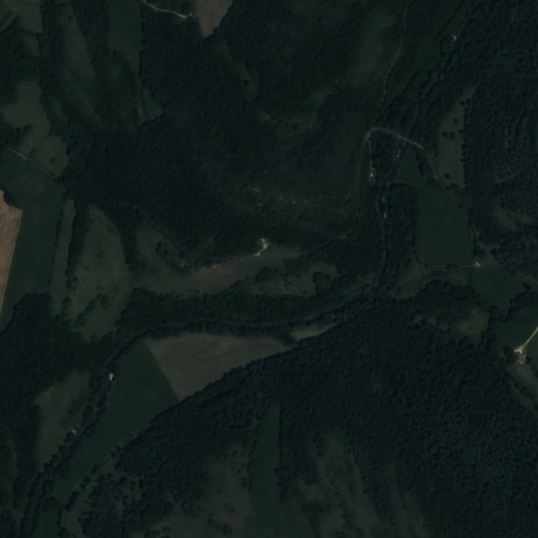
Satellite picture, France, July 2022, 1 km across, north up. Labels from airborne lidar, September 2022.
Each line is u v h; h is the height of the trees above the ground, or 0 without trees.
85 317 7
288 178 9
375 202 17
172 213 12
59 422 0
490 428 27
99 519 20
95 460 0
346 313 19
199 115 11
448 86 17
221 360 0
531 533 17
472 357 16
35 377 18
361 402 17
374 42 0
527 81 6
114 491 20
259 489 0
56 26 11
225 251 12
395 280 8
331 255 13
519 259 22
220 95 15
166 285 0
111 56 6
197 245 9
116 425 0
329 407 10
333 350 21
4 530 23
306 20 11
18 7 0
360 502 0
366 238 9
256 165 7
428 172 17
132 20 0
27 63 10
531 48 6
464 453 24
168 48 10
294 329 19
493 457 25
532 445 28
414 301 17
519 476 22
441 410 26
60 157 0
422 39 19
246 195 6
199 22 0
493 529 14
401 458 12
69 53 0
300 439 17
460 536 6
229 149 11
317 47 7
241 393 20
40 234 0
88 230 9
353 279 15
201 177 12
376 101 7
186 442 19
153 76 8
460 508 15
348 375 10
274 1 8
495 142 8
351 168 6
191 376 0
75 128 12
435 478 16
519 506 24
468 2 7
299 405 17
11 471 0
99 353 9
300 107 15
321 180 7
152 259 0
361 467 12
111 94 8
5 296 0
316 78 11
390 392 20
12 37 11
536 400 14
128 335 21
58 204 0
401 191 17
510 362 13
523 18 13
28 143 0
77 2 10
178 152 15
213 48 15
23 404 20
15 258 0
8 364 22
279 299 8
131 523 20
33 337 25
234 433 19
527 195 24
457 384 17
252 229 15
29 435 11
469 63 11
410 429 21
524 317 0
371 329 15
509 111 12
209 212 15
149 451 17
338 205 10
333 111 15
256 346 0
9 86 17
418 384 11
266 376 22
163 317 9
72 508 22
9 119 0
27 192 0
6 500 16
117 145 13
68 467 13
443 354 21
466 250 0
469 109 9
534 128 10
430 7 20
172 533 7
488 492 15
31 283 0
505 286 0
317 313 8
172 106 10
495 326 18
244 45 15
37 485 14
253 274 0
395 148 10
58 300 0
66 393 0
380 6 9
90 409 21
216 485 0
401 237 16
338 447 0
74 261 15
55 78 12
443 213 0
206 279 0
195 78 16
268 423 0
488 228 10
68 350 22
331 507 8
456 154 0
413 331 20
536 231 13
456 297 6
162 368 0
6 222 0
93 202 14
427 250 0
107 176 13
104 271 0
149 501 24
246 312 7
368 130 12
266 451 0
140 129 9
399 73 15
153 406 0
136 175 16
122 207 9
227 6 0
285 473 9
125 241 10
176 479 15
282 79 7
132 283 0
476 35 20
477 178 7
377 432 11
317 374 23
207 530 0
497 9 28
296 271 11
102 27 15
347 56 13
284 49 8
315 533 6
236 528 0
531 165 17
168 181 10
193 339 0
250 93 0
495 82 18
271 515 0
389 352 17
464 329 0
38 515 10
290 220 11
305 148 11
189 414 18
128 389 0
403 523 0
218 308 15
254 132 16
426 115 8
